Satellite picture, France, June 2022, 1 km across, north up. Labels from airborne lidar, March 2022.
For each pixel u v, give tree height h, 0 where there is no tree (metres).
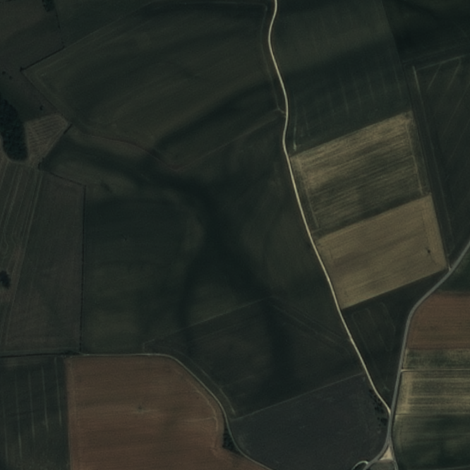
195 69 0
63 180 0
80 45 0
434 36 0
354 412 0
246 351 0
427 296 0
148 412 0
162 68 0
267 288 0
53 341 0
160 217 0
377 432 0
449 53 0
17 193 0
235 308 0
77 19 0
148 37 0
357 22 0
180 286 0
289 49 0
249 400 0
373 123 0
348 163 0
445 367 0
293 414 0
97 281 0
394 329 0
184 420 0
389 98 0
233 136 0
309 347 0
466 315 0
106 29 0
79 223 0
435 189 0
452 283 0
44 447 0
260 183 0
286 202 0
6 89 0
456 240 0
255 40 0
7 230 0
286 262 0
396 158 0
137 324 0
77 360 0
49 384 0
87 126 0
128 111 0
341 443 0
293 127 0
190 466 0
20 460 0
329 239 0
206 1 0
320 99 0
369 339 0
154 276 0
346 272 0
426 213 0
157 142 0
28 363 0
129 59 0
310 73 0
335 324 0
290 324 0
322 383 0
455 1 0
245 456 0
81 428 0
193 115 0
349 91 0
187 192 0
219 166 0
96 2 0
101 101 0
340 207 0
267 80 0
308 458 0
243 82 0
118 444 0
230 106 0
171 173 0
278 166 0
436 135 0
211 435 0
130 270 0
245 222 0
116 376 0
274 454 0
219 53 0
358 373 0
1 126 13
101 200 0
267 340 0
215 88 0
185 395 0
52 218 0
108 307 0
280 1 0
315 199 0
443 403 0
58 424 0
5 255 0
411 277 0
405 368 0
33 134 0
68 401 0
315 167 0
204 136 0
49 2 6
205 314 0
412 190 0
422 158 0
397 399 0
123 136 0
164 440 0
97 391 0
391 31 0
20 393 0
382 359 0
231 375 0
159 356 0
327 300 0
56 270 0
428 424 0
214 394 0
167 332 0
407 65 0
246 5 0
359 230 0
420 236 0
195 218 0
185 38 0
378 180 0
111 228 0
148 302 0
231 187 0
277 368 0
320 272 0
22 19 0
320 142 0
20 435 0
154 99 0
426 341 0
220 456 0
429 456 0
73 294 0
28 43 0
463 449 0
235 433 0
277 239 0
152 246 0
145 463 0
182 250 0
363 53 0
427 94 0
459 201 0
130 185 0
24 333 0
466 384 0
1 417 0
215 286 0
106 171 0
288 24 0
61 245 0
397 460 0
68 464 0
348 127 0
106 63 0
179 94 0
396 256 0
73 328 0
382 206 0
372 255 0
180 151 0
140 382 0
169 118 0
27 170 0
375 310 0
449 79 0
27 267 0
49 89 0
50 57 0
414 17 0
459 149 0
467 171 0
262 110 0
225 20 0
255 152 0
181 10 0
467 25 0
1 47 0
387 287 0
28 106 0
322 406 0
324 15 0
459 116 0
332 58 0
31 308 0
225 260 0
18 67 0
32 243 0
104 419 0
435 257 0
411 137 0
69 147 0
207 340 0
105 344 0
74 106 0
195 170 0
